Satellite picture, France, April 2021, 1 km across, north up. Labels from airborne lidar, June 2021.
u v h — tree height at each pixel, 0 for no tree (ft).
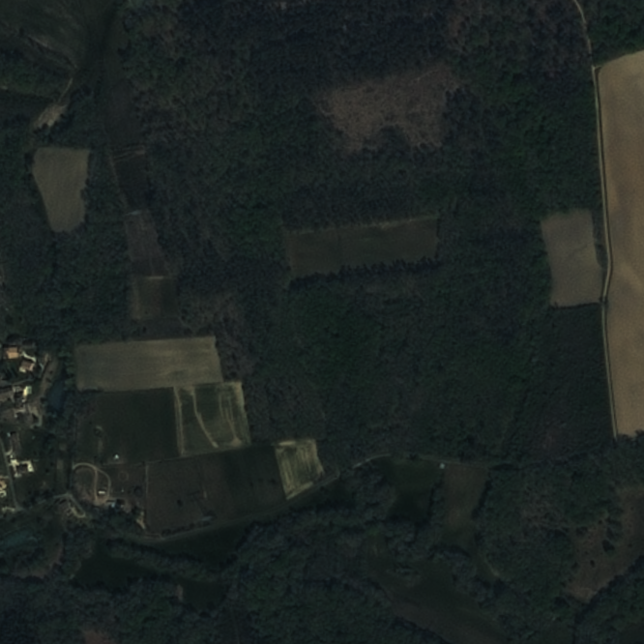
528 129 71
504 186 43
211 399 0
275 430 40
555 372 21
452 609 0
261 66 66
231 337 50
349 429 73
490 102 65
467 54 33
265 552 86
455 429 42
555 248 0
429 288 60
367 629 64
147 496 0
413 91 0
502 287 75
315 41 73
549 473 56
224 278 73
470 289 80
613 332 0
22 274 73
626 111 0
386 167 51
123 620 72
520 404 22
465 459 67
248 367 48
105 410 0
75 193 0
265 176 59
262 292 73
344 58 31
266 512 0
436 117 0
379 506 45
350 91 0
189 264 78
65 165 0
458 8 62
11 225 46
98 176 75
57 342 73
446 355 65
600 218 44
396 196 68
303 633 72
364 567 54
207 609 0
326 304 73
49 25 0
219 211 58
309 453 0
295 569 73
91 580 0
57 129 33
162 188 51
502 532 62
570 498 56
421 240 0
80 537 70
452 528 0
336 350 85
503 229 28
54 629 75
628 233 0
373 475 73
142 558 52
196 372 0
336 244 0
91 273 49
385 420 51
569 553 55
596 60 44
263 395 40
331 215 71
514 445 44
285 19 55
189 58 38
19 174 85
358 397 43
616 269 0
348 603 71
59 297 93
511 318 68
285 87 51
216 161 66
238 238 74
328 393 54
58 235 0
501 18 44
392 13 55
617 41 62
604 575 0
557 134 63
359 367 66
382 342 28
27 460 0
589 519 53
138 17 58
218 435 0
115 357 0
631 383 0
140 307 0
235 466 0
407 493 0
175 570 39
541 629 57
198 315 45
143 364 0
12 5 0
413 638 69
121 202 62
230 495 0
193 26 64
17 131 76
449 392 51
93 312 53
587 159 51
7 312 45
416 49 73
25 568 50
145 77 55
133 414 0
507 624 54
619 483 56
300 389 70
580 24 47
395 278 65
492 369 59
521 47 49
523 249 77
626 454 71
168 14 52
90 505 47
